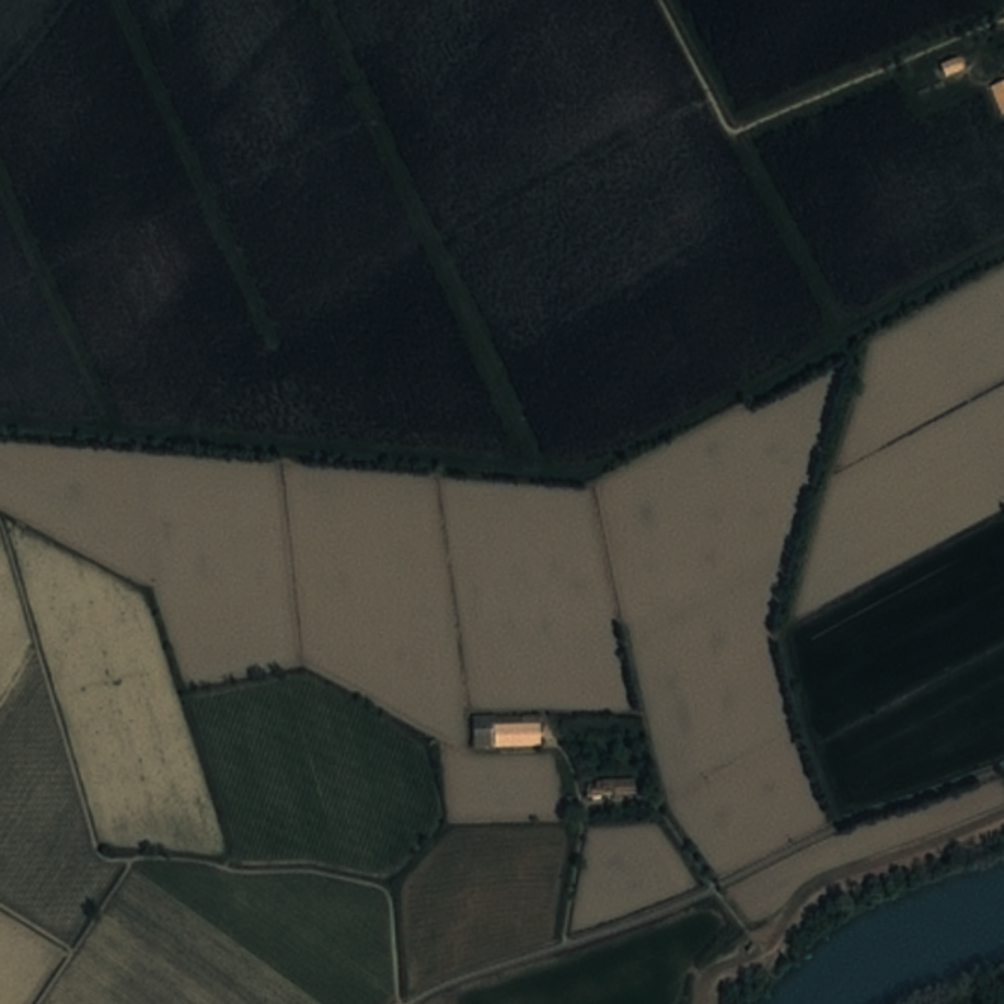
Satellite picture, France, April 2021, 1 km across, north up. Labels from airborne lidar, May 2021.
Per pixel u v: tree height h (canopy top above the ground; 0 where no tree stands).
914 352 0
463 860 0
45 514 0
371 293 11
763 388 0
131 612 0
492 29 9
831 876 0
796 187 11
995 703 0
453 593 0
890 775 0
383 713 6
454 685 0
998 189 9
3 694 0
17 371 8
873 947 0
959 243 11
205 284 9
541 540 0
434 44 7
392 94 11
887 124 13
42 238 10
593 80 7
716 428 0
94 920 14
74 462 0
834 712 0
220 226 0
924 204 9
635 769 10
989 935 0
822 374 17
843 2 14
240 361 10
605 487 0
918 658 0
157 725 0
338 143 9
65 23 10
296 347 11
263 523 0
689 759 0
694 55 0
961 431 0
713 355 12
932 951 0
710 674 0
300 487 0
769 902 0
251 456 16
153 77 0
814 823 0
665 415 10
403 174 0
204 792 0
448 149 10
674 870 0
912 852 0
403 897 0
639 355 11
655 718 0
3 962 0
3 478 0
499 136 7
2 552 0
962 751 0
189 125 9
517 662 0
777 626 9
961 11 16
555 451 10
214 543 0
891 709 0
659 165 6
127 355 8
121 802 0
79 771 0
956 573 0
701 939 0
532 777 0
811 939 16
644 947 0
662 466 0
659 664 0
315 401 10
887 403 0
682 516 0
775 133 13
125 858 0
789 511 0
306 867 0
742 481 0
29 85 9
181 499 0
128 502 0
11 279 8
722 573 0
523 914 0
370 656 0
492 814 0
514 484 11
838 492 0
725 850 0
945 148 12
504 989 0
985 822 0
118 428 0
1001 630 0
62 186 11
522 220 8
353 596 0
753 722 0
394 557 0
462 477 14
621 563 0
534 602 0
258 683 17
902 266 12
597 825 12
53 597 0
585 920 0
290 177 10
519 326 10
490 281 8
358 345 13
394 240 8
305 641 0
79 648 0
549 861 0
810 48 13
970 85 0
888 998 0
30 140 9
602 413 12
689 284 13
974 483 0
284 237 10
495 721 0
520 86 8
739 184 11
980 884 0
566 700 0
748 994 16
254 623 0
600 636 0
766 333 12
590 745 12
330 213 7
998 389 0
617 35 8
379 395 14
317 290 10
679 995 0
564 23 7
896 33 14
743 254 11
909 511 0
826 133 11
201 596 0
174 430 0
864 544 0
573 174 8
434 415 10
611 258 10
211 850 0
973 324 0
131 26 0
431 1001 0
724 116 0
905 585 0
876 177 10
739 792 0
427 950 0
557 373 12
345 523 0
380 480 0
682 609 0
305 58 7
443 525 0
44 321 8
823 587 0
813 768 17
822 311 9
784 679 15
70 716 0
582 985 0
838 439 8
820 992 0
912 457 0
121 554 0
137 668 0
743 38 14
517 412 0
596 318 10
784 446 0
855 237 10
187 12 9
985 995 27
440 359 13
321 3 0
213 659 0
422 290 13
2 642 0
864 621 0
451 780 0
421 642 0
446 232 7
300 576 0
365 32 7
